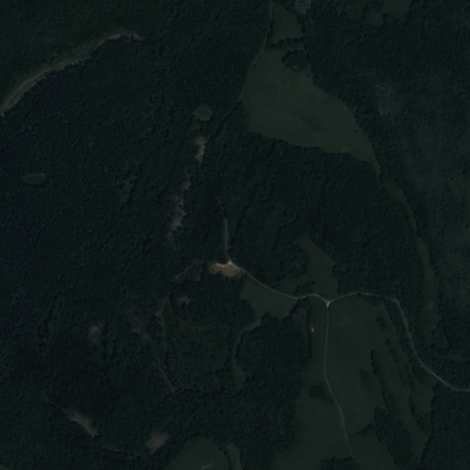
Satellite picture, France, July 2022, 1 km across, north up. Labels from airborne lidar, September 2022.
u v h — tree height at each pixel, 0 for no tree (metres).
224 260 9
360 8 0
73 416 0
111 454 15
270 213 17
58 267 24
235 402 20
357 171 19
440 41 14
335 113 0
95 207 29
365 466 0
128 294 20
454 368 16
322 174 9
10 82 16
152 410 16
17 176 25
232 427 15
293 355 20
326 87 11
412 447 17
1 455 15
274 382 17
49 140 23
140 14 14
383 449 0
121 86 16
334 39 14
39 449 10
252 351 15
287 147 19
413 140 11
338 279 10
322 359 0
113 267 16
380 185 18
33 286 23
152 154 21
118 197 20
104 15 12
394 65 16
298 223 14
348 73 17
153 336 8
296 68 10
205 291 17
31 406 22
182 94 16
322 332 0
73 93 22
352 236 17
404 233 17
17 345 22
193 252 19
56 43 7
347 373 0
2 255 24
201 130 13
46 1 18
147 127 18
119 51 15
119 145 22
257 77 0
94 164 20
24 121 22
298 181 21
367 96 13
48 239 22
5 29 13
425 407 0
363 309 0
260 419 19
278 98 0
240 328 16
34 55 11
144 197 25
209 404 17
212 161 23
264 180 10
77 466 24
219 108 18
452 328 15
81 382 29
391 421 17
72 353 16
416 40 15
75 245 24
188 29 19
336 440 0
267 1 19
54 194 19
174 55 8
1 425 20
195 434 8
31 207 24
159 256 16
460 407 6
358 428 0
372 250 15
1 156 23
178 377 21
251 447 22
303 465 0
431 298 0
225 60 16
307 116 0
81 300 16
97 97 16
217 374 17
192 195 20
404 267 12
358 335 0
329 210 19
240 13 18
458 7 9
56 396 23
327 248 17
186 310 20
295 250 18
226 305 22
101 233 21
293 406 11
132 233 18
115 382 21
